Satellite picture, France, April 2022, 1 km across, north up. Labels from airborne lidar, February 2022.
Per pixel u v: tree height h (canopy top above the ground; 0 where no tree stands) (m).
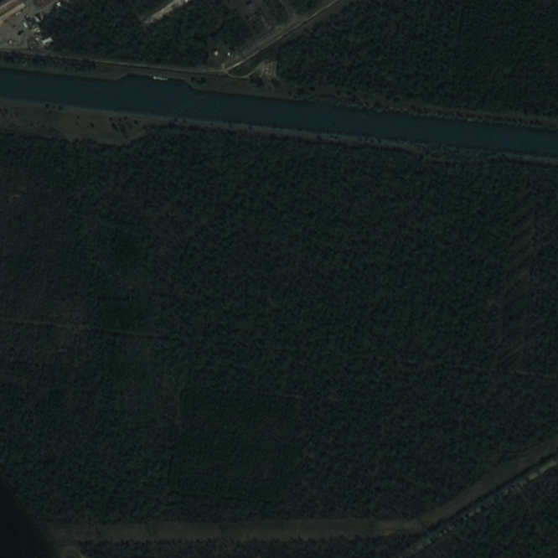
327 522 0
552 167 10
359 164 15
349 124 0
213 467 7
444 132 0
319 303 15
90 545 11
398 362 15
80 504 10
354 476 6
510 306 7
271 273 12
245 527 0
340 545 13
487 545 9
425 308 14
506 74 10
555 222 11
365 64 15
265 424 7
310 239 14
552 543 14
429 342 14
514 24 8
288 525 0
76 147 12
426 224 17
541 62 7
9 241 7
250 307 17
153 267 12
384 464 14
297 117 0
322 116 0
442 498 8
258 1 0
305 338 18
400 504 11
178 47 7
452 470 16
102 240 11
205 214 17
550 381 16
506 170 16
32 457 10
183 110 0
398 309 17
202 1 12
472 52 10
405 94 9
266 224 18
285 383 7
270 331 18
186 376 12
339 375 15
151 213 18
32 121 0
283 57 13
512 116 0
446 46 14
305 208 17
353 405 15
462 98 13
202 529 0
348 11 14
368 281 13
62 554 0
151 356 8
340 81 10
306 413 6
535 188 12
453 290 18
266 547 12
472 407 14
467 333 14
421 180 16
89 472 16
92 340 10
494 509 18
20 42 0
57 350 6
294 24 0
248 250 11
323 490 16
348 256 18
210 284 15
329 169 17
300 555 9
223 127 0
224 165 15
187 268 14
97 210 11
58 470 15
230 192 14
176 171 18
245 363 17
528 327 6
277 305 17
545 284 17
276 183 19
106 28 6
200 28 15
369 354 13
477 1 9
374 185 17
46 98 0
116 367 14
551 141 0
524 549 17
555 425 16
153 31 9
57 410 9
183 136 11
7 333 7
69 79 0
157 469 14
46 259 8
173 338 10
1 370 7
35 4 0
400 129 0
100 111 0
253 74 0
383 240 11
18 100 0
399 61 15
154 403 7
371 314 16
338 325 15
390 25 15
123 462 14
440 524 9
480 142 0
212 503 9
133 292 7
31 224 6
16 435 11
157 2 8
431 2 13
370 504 8
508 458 14
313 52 16
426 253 18
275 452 8
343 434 14
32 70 0
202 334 16
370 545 15
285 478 8
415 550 0
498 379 19
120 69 0
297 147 16
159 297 12
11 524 0
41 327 8
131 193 18
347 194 17
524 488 17
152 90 0
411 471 15
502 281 12
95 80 0
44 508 12
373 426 14
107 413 7
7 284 7
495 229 17
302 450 9
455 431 14
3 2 0
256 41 0
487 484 0
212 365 19
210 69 0
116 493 14
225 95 0
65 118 0
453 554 17
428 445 17
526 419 20
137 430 14
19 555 0
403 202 19
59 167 15
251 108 0
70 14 14
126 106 0
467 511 11
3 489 0
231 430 7
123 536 0
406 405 16
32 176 7
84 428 11
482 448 18
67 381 9
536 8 9
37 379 7
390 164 17
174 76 0
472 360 17
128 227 16
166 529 0
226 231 16
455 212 19
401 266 16
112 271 11
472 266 16
